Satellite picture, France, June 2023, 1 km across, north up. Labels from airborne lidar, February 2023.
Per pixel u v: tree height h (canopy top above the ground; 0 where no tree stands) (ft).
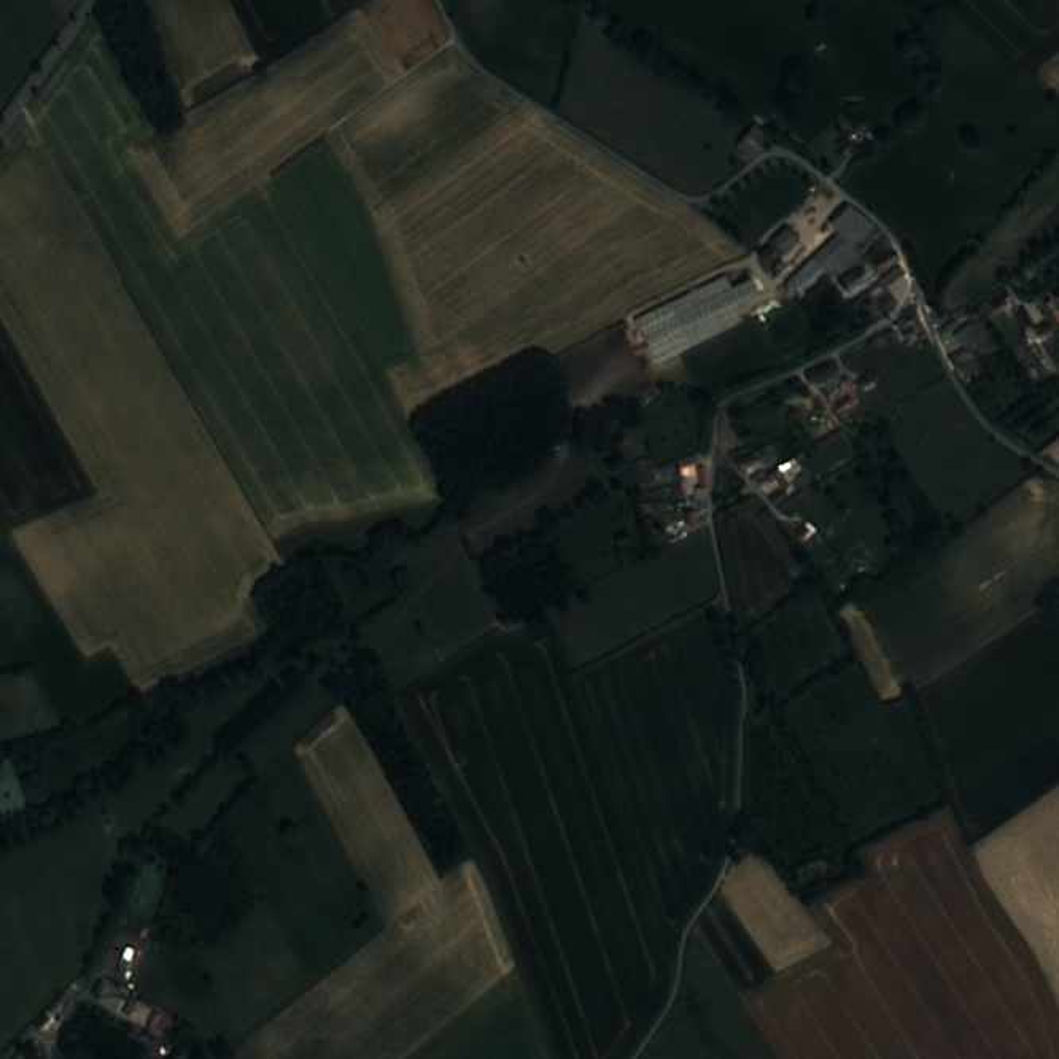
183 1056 0
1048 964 0
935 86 52
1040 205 0
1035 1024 0
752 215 0
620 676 0
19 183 0
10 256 0
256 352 0
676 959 0
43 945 0
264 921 0
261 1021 0
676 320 0
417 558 0
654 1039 0
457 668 0
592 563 0
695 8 0
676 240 0
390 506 0
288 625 51
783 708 29
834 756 0
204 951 0
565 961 0
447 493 70
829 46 0
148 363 0
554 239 0
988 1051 0
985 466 0
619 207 0
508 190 0
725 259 0
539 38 0
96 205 0
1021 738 0
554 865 0
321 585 73
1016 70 0
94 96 0
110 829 0
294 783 0
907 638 0
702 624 0
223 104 0
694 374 0
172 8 0
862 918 0
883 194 0
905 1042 0
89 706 0
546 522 83
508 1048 0
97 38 0
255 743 0
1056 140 0
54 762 0
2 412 0
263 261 0
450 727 0
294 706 0
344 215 0
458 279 0
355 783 0
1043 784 0
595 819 0
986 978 0
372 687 100
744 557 0
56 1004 0
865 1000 0
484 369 0
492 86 0
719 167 0
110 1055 28
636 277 0
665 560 0
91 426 0
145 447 0
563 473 0
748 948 0
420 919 0
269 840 0
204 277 0
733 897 0
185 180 0
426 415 79
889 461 35
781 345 0
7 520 0
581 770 0
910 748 0
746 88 0
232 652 0
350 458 0
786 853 0
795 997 0
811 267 0
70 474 0
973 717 0
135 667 0
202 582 0
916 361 0
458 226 0
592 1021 0
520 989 0
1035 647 0
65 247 0
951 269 37
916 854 0
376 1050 0
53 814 82
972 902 0
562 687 0
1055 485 0
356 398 0
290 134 0
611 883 0
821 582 32
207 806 0
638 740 0
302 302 0
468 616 0
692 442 0
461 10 0
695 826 0
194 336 0
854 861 49
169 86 89
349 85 0
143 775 0
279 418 0
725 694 0
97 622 0
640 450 0
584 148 0
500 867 0
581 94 0
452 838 31
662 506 0
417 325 0
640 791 0
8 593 0
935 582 0
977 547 0
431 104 0
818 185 0
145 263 0
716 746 0
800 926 0
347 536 0
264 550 0
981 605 0
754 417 0
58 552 0
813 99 0
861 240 0
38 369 0
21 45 0
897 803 0
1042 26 0
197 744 0
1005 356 25
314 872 0
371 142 0
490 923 0
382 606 24
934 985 0
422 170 0
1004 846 0
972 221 0
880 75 0
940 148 0
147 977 0
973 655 0
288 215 0
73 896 0
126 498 0
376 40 0
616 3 0
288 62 0
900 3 29
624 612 0
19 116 0
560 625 0
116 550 0
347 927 0
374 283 0
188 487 0
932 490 0
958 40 0
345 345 0
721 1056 0
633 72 0
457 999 0
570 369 0
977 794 0
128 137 0
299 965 0
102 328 0
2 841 77
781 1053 0
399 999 0
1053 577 0
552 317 0
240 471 0
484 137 0
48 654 0
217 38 0
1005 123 0
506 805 0
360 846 0
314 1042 0
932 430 0
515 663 0
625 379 0
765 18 0
